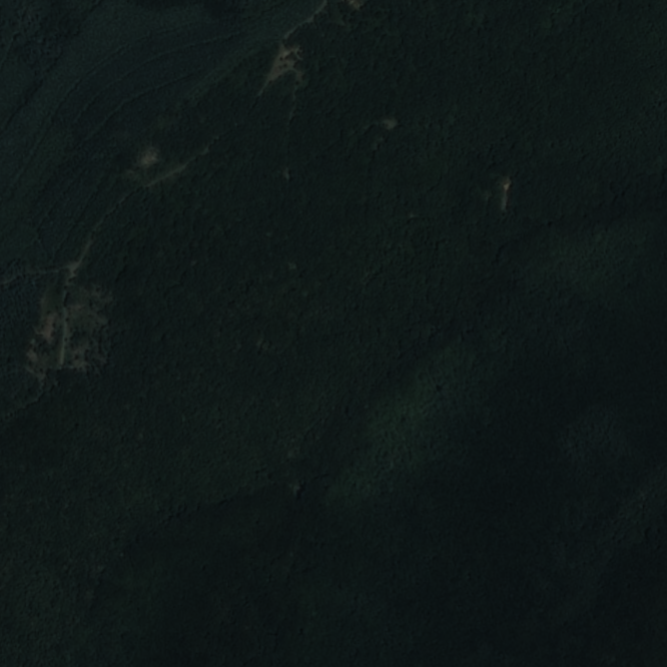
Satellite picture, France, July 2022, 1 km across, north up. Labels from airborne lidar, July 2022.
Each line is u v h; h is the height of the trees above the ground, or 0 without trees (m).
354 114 16
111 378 22
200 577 22
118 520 23
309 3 7
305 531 23
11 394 16
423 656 13
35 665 27
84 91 10
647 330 16
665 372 17
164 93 10
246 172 16
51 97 10
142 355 14
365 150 17
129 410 25
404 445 10
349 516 18
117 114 9
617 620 24
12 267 16
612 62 19
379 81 18
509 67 19
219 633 26
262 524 20
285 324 20
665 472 12
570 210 25
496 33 18
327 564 21
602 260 7
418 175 19
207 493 21
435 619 15
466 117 18
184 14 13
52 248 11
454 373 13
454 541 17
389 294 23
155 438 26
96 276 7
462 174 21
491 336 17
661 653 25
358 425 29
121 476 22
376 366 22
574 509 13
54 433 14
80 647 18
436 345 24
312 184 21
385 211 25
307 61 10
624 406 11
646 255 15
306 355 21
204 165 13
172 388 23
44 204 6
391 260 10
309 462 31
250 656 29
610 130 19
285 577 27
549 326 9
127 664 16
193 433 22
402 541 15
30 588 18
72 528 26
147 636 21
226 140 12
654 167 21
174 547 27
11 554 20
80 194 9
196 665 28
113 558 29
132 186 7
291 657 29
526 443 13
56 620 19
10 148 8
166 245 7
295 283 22
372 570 17
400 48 11
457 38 13
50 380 12
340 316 25
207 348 23
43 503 22
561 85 20
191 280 19
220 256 17
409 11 14
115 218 11
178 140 11
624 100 22
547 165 19
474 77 20
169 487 27
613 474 10
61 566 17
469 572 15
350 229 15
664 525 20
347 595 13
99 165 8
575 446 6
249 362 24
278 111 14
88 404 20
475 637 15
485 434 18
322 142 16
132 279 14
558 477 12
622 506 14
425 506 14
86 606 25
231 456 24
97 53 11
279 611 30
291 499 29
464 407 12
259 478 24
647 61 22
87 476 23
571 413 14
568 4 14
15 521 21
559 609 14
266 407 23
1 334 15
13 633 19
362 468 11
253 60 7
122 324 17
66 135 6
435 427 9
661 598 26
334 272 14
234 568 26
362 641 17
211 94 10
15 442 19
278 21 7
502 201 11
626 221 15
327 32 10
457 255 23
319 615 17
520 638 14
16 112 7
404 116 17
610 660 21
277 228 18
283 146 18
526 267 18
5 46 14
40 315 17
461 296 20
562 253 13
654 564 28
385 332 23
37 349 13
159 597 19
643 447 12
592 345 14
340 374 23
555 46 16
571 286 11
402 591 15
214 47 9
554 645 15
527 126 19
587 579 10
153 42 11
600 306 10
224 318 19
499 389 17
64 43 13
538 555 12
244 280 18
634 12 23
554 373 16
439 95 17
